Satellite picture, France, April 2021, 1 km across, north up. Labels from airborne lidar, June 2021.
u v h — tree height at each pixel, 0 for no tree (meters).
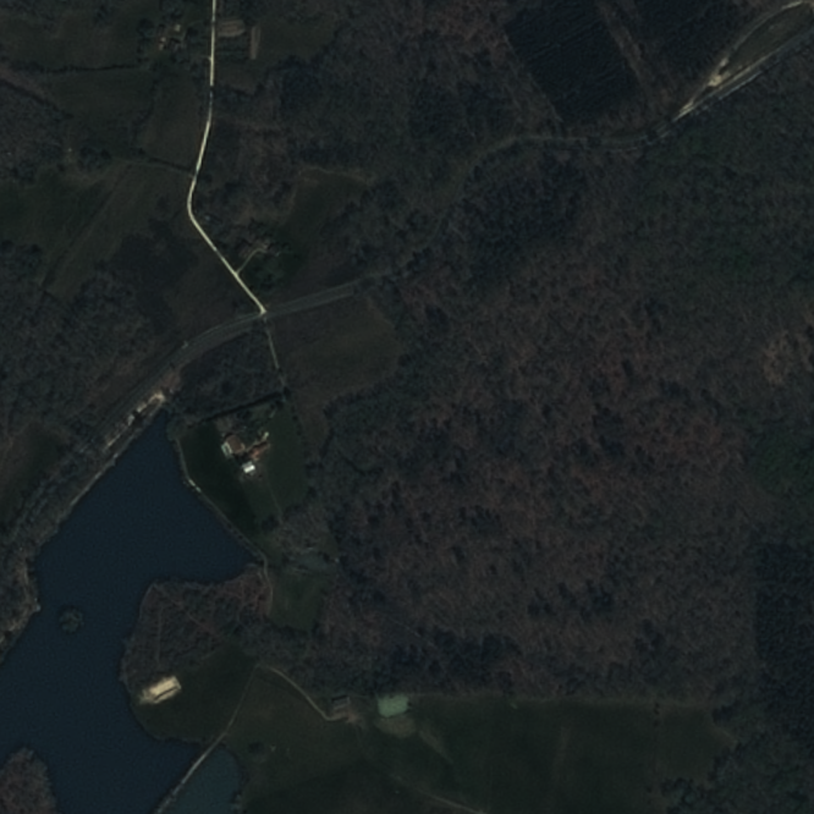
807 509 16
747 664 16
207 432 0
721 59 14
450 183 21
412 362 15
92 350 23
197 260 0
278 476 0
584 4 19
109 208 0
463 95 18
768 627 23
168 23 14
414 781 0
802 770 14
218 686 0
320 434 0
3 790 11
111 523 0
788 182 19
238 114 17
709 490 11
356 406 17
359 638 15
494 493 13
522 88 15
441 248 12
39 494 20
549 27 17
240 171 8
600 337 14
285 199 15
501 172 17
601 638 13
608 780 0
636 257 16
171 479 0
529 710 0
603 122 15
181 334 0
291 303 0
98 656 0
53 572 0
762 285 19
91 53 0
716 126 22
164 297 0
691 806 18
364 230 17
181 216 0
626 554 17
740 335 11
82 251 0
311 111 22
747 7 16
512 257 21
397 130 21
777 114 14
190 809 0
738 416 15
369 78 11
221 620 6
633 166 10
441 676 18
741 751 11
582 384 11
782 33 0
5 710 0
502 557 13
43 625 0
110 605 0
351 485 19
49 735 0
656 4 18
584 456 23
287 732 0
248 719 0
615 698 17
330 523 15
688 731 0
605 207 18
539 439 13
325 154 21
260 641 19
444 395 13
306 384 0
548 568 14
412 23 14
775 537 19
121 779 0
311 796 0
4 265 12
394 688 18
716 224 14
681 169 14
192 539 0
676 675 19
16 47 0
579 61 19
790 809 23
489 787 0
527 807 0
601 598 12
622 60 18
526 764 0
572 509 13
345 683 16
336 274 0
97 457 22
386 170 22
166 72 0
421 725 0
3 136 18
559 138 19
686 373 9
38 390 20
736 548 13
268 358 6
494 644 20
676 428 13
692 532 17
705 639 15
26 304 22
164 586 15
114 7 9
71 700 0
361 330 0
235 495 0
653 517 16
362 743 0
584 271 14
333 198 0
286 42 0
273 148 13
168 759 0
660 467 6
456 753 0
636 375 22
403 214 12
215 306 0
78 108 0
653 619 11
